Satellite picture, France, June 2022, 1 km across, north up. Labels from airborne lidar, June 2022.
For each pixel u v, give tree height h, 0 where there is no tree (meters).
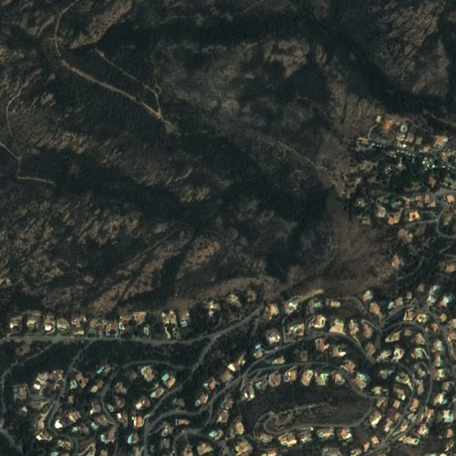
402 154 6
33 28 0
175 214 8
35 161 5
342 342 7
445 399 7
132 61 7
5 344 10
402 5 0
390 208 7
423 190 11
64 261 0
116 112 7
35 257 0
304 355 0
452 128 10
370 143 6
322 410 0
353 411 0
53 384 7
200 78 0
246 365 8
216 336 0
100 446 11
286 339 0
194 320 6
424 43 6
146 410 9
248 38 7
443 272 6
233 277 6
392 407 6
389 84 5
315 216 8
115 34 7
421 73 0
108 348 5
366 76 8
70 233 6
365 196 7
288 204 8
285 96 7
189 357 12
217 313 7
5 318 7
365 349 8
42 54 7
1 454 10
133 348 7
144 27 6
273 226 0
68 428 12
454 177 13
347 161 0
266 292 0
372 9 8
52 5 7
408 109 10
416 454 0
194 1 7
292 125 0
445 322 8
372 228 7
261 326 10
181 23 10
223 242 0
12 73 6
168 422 6
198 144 7
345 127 0
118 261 7
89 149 0
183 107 6
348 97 0
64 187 7
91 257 6
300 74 6
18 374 13
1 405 13
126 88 9
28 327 8
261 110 0
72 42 0
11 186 0
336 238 0
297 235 7
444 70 0
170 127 0
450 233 9
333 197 0
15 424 8
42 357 8
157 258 0
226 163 9
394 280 8
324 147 0
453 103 5
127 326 9
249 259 0
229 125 0
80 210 0
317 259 0
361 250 0
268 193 6
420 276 6
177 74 0
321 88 6
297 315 8
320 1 0
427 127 6
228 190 9
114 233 0
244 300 6
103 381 8
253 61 6
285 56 0
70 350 7
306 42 7
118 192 6
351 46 7
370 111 0
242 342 9
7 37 6
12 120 0
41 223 0
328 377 7
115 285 0
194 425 7
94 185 8
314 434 6
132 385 6
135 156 0
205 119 0
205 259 0
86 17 7
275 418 0
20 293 7
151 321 7
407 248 10
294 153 0
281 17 7
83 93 7
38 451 6
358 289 0
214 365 9
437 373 0
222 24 7
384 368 6
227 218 0
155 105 6
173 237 0
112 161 0
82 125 7
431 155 7
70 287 0
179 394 7
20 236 0
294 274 0
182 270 0
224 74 0
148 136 8
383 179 12
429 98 8
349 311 0
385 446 0
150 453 6
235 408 8
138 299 9
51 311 7
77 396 11
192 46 0
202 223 7
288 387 7
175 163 11
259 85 6
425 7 0
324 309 6
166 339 0
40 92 8
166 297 7
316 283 0
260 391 6
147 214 7
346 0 6
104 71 10
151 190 6
